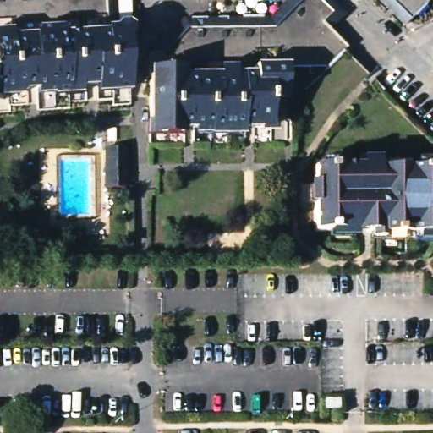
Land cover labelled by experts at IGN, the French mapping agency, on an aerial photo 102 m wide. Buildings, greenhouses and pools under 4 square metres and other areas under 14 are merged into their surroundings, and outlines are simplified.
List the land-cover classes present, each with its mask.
<instances>
[{"label":"impervious surface","instance_id":"1","mask_svg":"<svg viewBox=\"0 0 433 433\"><path fill-rule=\"evenodd\" d=\"M284 0H132V12L137 15L139 22V58L135 78L137 85L105 86V68H100L98 78L85 81L79 88L46 90L41 85H34L27 90L15 91L14 95L7 98H0V115L3 112L20 110L25 118L37 117L39 113L51 110L64 112L81 108L85 112H108L117 107L122 112V122L115 123L112 129L98 134L95 140H88L85 147H41L39 152L46 156V162L42 167V188L47 189L46 193L49 196L47 206L58 203L59 162H64L66 156L91 157L95 211L90 216L93 222L103 223L100 235L110 233V206L113 200L108 191L105 149L112 142L118 145V183L123 189L129 191L130 200L134 201L135 213L134 232L129 233L127 245L135 255L161 252L164 245L156 242L151 244V238H145L144 227L149 225L151 198L156 196L157 200L161 198L162 193H159V169H176L179 166L176 162L159 161L152 164L151 144L145 140V130L140 123V117L149 112V79L152 64L171 59V54L178 49L184 36V15L196 10L218 8V12H238L244 17H262L266 12L274 14L277 10L276 3ZM335 8L328 22L345 37V41L348 42L347 51L359 59L365 68L372 71L369 76L370 83L379 79L382 88L397 107L403 108L414 123L425 129L421 135L428 142L423 149L425 156L426 159H433V0H431L425 10H421L418 15L404 20L401 24L397 14H394L382 0H328ZM365 90L364 83L355 86L347 98L333 110L332 115L326 118L323 127L315 135L306 147V156H293L281 162L282 169L289 176L288 198L284 200L288 210V222L281 223L279 227L282 233H288L293 237L294 249L301 264H310L318 259L321 266L330 267L345 266V260L320 257L326 240L347 242L350 237L348 233H342L333 237L328 230H318L313 222L315 205L310 201V186L315 178L316 164L311 161V152H315L318 145L328 137V132L332 130L333 123L337 122L338 117L347 110H352L355 103ZM230 134H237L240 139L262 142L271 139H293V122L284 120L281 125L271 127H267L266 123H252L250 129L225 130L191 123V130L173 134L171 140H183L181 144L184 149V162L193 169H200L203 174L208 169L242 171L245 201L254 200V174L271 166L267 162H254V154L245 159L244 164H208L201 159L200 154L193 157L191 142H195V139L206 142V139H211L215 142H228ZM372 237L384 238L386 245L382 247V254L392 257L406 252V249H401L397 245L399 238H419L414 259L425 254V240L433 238V225H423L419 222L414 227L408 222L406 225L392 227L391 232H386L379 223L367 225L364 233L355 237L359 240V250L362 252L359 257H355L360 274L354 277L328 276L303 274L296 279L293 274L284 271L262 276L247 274H238L235 271H227V279L230 282L225 288L216 286V271L205 272V288L198 286V271H186L184 288L176 286V272H161V286L156 288L152 284L147 267L140 269L139 281L135 288L78 289L74 286L56 289L51 288L49 284H37L36 288H25L22 284H15L12 289H0V337L10 338L14 342L15 338L19 337L20 330H24L27 332L25 340L47 335L56 343L54 347L42 352H37V348H12L14 359H10V350L0 348V409L7 406L10 399L15 401L17 394L25 392L32 403H44L49 411L42 425L47 433H433V296L423 291L425 277L418 272L425 266V260L414 262V259H409L408 264L414 266L416 272L381 274V277H369L365 272V260H370L375 266H379L382 260V255L372 254ZM193 313H205L208 316L206 330L208 337H211L218 332L216 313H227L230 332H237L242 323L245 326V338L249 342H264L267 337L274 342L277 338H301L303 342H310L311 335L320 330H326L328 337L343 338L340 347L323 343V362L318 365L306 362L304 347L296 350L294 359H289L286 347H279L274 352V348L267 345L264 350H255L252 347L230 348V345L210 343L198 348L189 347L186 359L167 365H157L154 360V330L152 321L156 316L164 315L171 318L174 320V326H188L186 320L189 316H193ZM118 330H122L123 335L134 338L137 347H122L118 350L112 347V342L120 337ZM73 332L78 333L79 338L91 340L95 347H63L61 343L71 337ZM252 233V228L247 225L242 232L222 233L208 238V245L211 247L222 242L223 247H237L244 244Z\"/></svg>","mask_w":433,"mask_h":433},{"label":"building","instance_id":"2","mask_svg":"<svg viewBox=\"0 0 433 433\"><path fill-rule=\"evenodd\" d=\"M139 22L137 15L132 12V0H0V98H7L14 95L15 91L27 90L34 85H41L46 90L79 88L85 81L98 78L100 68H105V86L137 85L135 78L139 58ZM277 10L274 14L266 12L262 17H244L238 12H218V8L196 10L184 15V36L178 49L171 54V59L152 64L149 79V112L140 117V123L145 130V140L151 144L152 139L171 140L173 134L191 130V123L225 130L250 129L252 123H266L267 127H271L281 125L284 120L293 122L304 112V108L310 107L313 103L323 79L330 74V66L337 64L338 59L347 51L348 42L345 41V37L328 22L335 8L328 0H284L276 3ZM394 14H397L401 24L404 20L418 15L421 10H425L431 0H382ZM108 191L115 188L123 189L118 183V145L112 142L105 149ZM310 201L315 205L313 222L318 230H328L333 237L342 233H348L350 237H355L364 233L367 225L379 223L386 232H391L392 227L406 225L408 222L414 227L419 222L423 225H433V159H426L425 156L414 166L406 167L404 159L391 161L386 156V151H367L364 157L347 159H343L342 156L326 154L316 164L315 178L310 186Z\"/></svg>","mask_w":433,"mask_h":433},{"label":"herbaceous vegetation","instance_id":"3","mask_svg":"<svg viewBox=\"0 0 433 433\"><path fill-rule=\"evenodd\" d=\"M372 71L365 68L359 59L347 51L338 59L337 64L330 66V74L323 79L313 103L315 118L311 123V130L315 135L323 127L326 118L332 115L333 110L347 98L355 86L364 83L365 90L355 103L360 105L365 125L359 129L345 127L337 135L333 145H338L342 149V156L343 159H347L364 157L367 151H386V156L391 161L404 159L406 167L414 166L425 156L423 149L428 142L421 135L425 129L414 123L403 108L397 107L382 88L379 79L370 83L369 76ZM122 112L117 107L108 112H85L81 108L64 112L51 110L39 113L37 117L25 118L22 122L24 127L34 123L66 125L91 122L98 134L112 129L115 123L122 122ZM193 157L200 154L201 159L208 164H244L245 159L254 154V162H267L271 166L281 162L293 156L294 151L298 149V142L293 139H271L262 142L240 139L237 134H230L228 142H215L211 139H206V142L195 139V142H191ZM78 142L76 135H39L32 137L29 142L8 145L0 151V222L14 227H27L30 222H36V210L30 206L32 201L29 200V196L14 188V181L19 178L20 159H24L30 152H39L41 147H73ZM183 140H171L152 139L151 144L152 164L159 161L176 162L179 166L176 169L181 191L171 189L167 193H162L161 198L157 200L156 242L164 245L173 247L178 233L171 227V223L167 222L169 216L183 218L205 215L210 220H215L216 216L225 215L233 206L242 205L245 201L242 171L208 169L203 174L200 169H193L184 162V149L181 144ZM113 200L110 206V233L100 235L101 240L105 242L101 250L105 257L86 255L79 274L66 272L64 277H59L58 281L49 284L51 288L56 289L74 286L78 289L135 288L139 281L140 269L147 267L152 284L156 288L161 286V272H176V286L184 288L186 271H198V286L205 288V272L216 271V286L225 288L230 282L227 279V271H235L238 255L230 252L218 257L184 254L178 259L161 252L135 255L127 245L129 233L134 232L135 213L134 201L130 200L129 191L123 189L115 188L108 191ZM284 271L293 274L296 279L303 274L328 276L330 267L321 266L318 259L310 264H301L259 266L247 274L262 276ZM208 316L205 313H193V316H189L186 320L188 326H174V320L171 318L164 315L156 316L152 321L154 330L169 328V332L174 335L173 347L166 352L167 365L186 359L189 347L198 348L210 343L230 345V348L252 347L255 350H264L267 345L274 348V352L279 347H286L289 359H294L296 350L304 347L306 362L318 365L323 362V343L340 347L343 338L328 337L326 330H320L311 335L310 342H303L301 338H277L274 342L267 337L264 342H249L245 338V326L242 323L237 332H230L227 313H216L218 332L211 337H208L206 330Z\"/></svg>","mask_w":433,"mask_h":433},{"label":"deciduous trees","instance_id":"4","mask_svg":"<svg viewBox=\"0 0 433 433\"><path fill-rule=\"evenodd\" d=\"M46 162V156L39 152H30L24 159H20L19 178L14 181V188L29 196V200L32 201L30 206L36 210V222H30L27 227H14L0 222V289H12L15 284H22L25 288H36L37 284H49L58 281L59 277H64L66 272L79 274L86 255L105 257L101 250L105 242L101 240L100 235L103 223L93 222L90 216L63 215L59 213L58 203L47 206L49 196L46 193L47 189L42 188V167ZM289 176L282 169L281 162L271 166L254 174V200L245 201L242 205L233 206L225 215L216 216L215 220H210L205 215L183 218L169 216L167 222L171 223V227L178 233L173 247L164 245L161 252L178 259L184 254L218 257L230 252L238 255L235 271L238 274H247L259 266L301 264L294 249L293 237L288 233H282L279 227L281 223L288 222V210L284 200L288 198ZM247 225L252 228V233L244 244L237 247H223L222 242L211 247L208 245V238L222 233L242 232ZM171 189L181 191L176 169H159V193H167ZM154 360L157 365H167L166 352L173 347L174 335L169 332V328L154 330ZM27 332L24 330H20L19 337L15 338L14 342L10 338L0 337V348L10 350V359H14L12 348H37V352H42L54 347L56 343L47 335L25 340ZM120 337L112 342V347L118 350L122 347H137L134 338L123 335L122 330H118ZM63 347H95L91 340L79 338L78 333L73 332L71 337L61 343ZM49 411L44 403H32L25 392L17 394L15 401L10 399L7 406L0 409V433H47L42 425Z\"/></svg>","mask_w":433,"mask_h":433},{"label":"brushwood","instance_id":"5","mask_svg":"<svg viewBox=\"0 0 433 433\"><path fill-rule=\"evenodd\" d=\"M315 118L313 103L310 107L304 108V112L293 122V139L298 142V149L294 151L293 156H306V147L315 135L311 130V123ZM365 125L360 105L355 103L352 110H347L338 117L337 122L333 123L332 130L328 132V137L318 145L315 152H311V161L316 164L326 154L342 156V149L338 145H333L337 135L345 127L359 129ZM25 118L20 110L3 112L0 115V151L8 145L29 142L32 137L39 135H76L78 142L73 147H85L88 140H95L98 134L91 122L66 125L34 123L24 127L22 122ZM157 200L156 196L151 198L149 225L144 227L145 238H151V244L156 242ZM320 257L345 260V266L330 267L328 276L354 277L360 274L355 257H359L362 252L359 250V240L355 237H350L347 242L326 240ZM419 238H399L397 245L401 249H406V252L392 257L382 254V247L386 245L384 238L372 237V254L382 255V260L379 266H375L370 260H365V272L369 277H381V274L416 272L414 266L408 264L409 259H414ZM425 254L414 259V262L425 260V266L418 272L425 277L423 291L433 296V238L425 240Z\"/></svg>","mask_w":433,"mask_h":433},{"label":"swimming pool","instance_id":"6","mask_svg":"<svg viewBox=\"0 0 433 433\"><path fill-rule=\"evenodd\" d=\"M58 203L59 213L63 215L90 216L95 211L91 157L66 156L64 162H59Z\"/></svg>","mask_w":433,"mask_h":433}]
</instances>
